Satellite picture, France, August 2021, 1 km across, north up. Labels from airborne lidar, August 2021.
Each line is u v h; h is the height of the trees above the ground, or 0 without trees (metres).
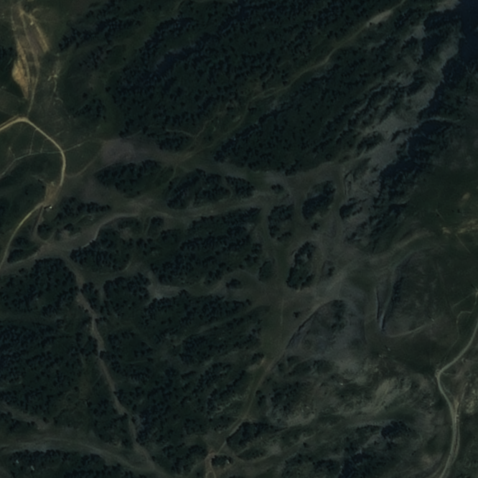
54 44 0
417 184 0
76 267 0
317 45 0
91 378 0
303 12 8
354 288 0
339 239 0
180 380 0
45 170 0
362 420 0
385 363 0
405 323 0
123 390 8
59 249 0
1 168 0
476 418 0
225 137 0
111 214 0
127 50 0
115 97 10
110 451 0
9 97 0
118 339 11
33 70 0
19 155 0
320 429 0
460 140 0
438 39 10
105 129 0
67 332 0
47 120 0
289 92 0
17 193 0
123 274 0
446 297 0
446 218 0
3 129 0
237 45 0
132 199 0
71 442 0
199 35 0
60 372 12
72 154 0
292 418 0
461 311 0
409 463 0
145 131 8
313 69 0
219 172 0
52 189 0
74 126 0
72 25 0
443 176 0
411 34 0
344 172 0
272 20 8
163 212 0
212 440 0
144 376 9
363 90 0
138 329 0
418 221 0
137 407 9
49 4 0
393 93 0
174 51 0
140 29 0
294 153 0
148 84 10
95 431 0
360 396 0
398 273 0
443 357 0
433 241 0
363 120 0
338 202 0
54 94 0
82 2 0
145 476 10
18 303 10
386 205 0
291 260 0
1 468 0
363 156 0
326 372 0
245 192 9
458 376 0
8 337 10
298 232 0
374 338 0
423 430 0
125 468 0
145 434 8
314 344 0
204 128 0
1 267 0
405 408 0
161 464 0
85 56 0
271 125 0
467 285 0
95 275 0
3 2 0
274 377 0
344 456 0
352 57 0
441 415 0
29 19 0
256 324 0
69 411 0
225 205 0
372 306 0
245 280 0
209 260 8
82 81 0
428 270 0
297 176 0
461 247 0
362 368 0
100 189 0
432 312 0
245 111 0
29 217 0
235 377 0
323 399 0
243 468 0
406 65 0
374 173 0
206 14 0
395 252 0
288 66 0
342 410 0
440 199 0
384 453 0
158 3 0
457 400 0
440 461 0
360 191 0
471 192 0
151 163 9
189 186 10
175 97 8
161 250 0
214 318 9
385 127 0
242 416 0
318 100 0
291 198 0
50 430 0
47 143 0
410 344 0
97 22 0
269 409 0
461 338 0
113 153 0
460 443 0
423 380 0
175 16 0
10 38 0
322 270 0
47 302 0
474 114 0
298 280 0
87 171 0
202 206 0
